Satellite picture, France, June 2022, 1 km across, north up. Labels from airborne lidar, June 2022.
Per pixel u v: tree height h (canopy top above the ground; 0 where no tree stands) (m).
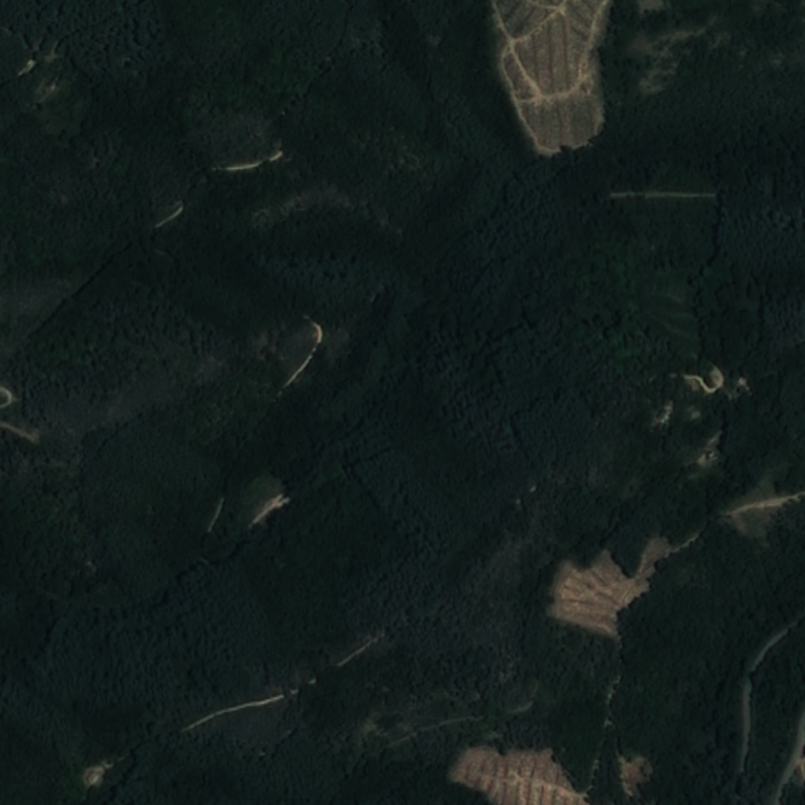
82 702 22
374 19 29
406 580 21
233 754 20
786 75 15
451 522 25
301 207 12
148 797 27
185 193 20
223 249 20
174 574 15
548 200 35
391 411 14
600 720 18
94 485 18
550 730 8
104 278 24
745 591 20
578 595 0
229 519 9
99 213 21
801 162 21
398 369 10
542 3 0
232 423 16
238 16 14
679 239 6
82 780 11
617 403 7
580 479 15
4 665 16
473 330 17
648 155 27
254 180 14
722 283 15
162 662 24
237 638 24
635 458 10
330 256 25
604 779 19
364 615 20
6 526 15
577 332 16
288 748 21
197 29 19
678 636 23
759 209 22
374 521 19
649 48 0
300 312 17
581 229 26
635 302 19
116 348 13
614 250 17
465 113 12
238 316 20
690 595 14
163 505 16
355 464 17
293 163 6
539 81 0
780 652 9
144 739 19
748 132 25
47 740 30
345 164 22
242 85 14
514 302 22
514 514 15
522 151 25
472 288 29
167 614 42
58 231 16
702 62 13
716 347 17
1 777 21
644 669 18
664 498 14
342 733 17
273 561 19
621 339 17
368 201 7
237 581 36
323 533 18
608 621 0
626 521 14
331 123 18
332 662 15
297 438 32
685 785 17
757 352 13
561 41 0
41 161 19
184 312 11
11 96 29
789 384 30
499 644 8
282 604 16
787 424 28
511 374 31
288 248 21
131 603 7
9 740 23
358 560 19
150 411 8
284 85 8
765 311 17
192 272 18
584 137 0
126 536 23
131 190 16
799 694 10
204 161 23
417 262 19
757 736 6
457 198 23
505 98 26
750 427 21
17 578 24
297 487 21
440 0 18
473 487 15
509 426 20
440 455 21
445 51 13
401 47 15
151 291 18
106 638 33
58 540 8
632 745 20
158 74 22
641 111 11
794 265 23
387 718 9
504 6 0
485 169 27
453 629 8
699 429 11
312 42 25
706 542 19
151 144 21
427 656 20
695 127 21
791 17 13
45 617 27
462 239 29
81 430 0
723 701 23
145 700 29
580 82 0
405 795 18
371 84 24
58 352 14
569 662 18
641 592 0
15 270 12
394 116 19
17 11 32
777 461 31
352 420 19
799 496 19
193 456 22
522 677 15
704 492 7
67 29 29
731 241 30
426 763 19
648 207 6
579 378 9
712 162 7
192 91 12
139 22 30
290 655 15
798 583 29
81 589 21
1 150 16
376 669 11
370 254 23
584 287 22
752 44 8
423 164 10
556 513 11
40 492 8
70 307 24
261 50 22
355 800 26
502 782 0
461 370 15
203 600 36
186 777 28
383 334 21
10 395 0
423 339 13
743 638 18
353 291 38
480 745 19
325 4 22
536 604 14
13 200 11
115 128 16
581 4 0
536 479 17
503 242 30
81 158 19
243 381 17
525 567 9
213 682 18
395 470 32
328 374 16
